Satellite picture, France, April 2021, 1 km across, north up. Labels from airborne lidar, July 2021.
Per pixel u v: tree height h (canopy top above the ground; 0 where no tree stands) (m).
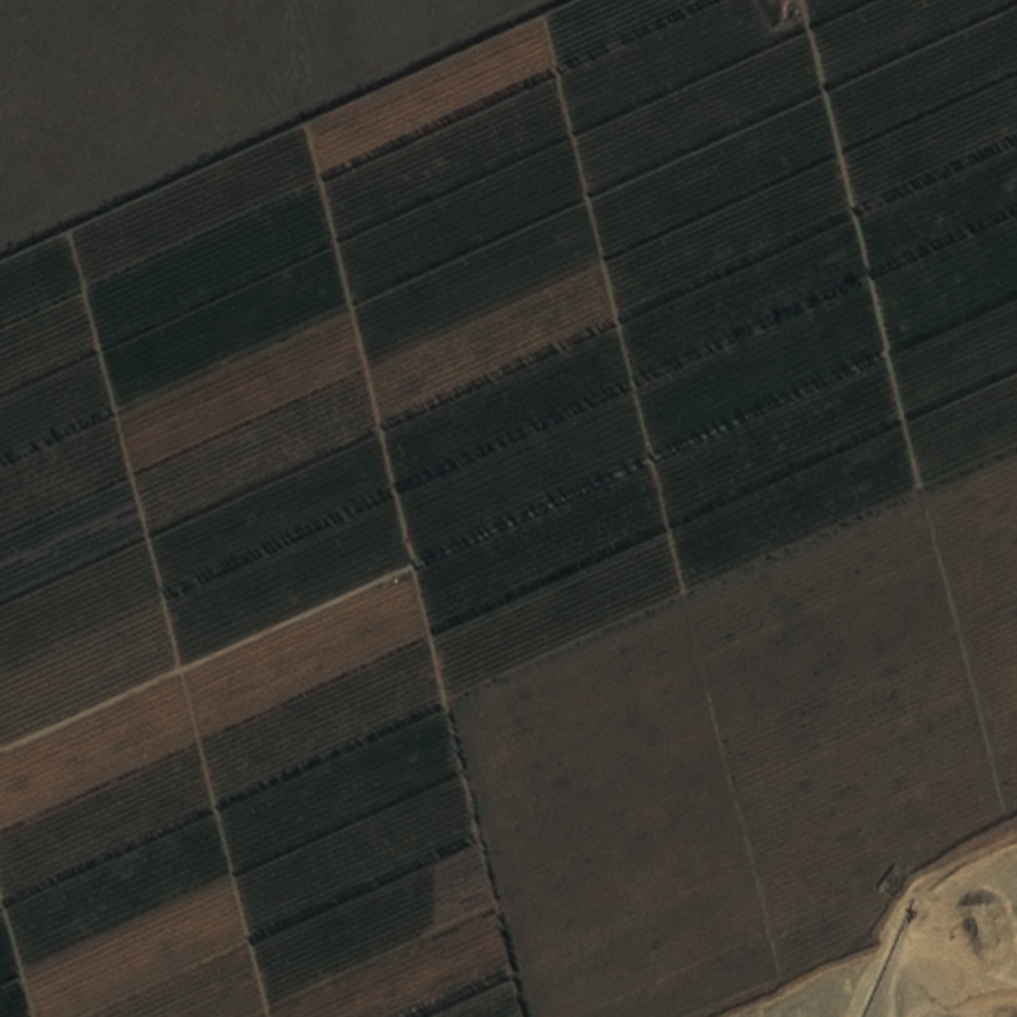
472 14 0
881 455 0
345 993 0
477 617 15
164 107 0
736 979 0
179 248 7
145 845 12
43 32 0
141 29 0
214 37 0
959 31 11
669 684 0
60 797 0
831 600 0
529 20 11
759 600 0
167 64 0
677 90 11
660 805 0
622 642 0
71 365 10
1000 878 0
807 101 12
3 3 0
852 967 0
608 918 0
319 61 0
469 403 0
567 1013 0
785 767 0
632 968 0
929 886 0
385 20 0
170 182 10
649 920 0
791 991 0
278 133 11
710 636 0
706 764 0
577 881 0
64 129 0
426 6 0
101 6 0
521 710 0
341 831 10
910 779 0
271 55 0
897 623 0
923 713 0
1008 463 0
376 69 0
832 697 0
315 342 0
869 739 0
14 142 0
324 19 0
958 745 0
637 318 12
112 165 0
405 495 18
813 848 0
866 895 0
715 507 8
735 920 0
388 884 17
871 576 0
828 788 0
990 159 14
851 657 0
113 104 0
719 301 0
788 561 0
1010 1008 0
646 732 0
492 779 0
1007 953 0
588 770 0
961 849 0
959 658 0
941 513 0
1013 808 0
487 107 15
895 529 0
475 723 0
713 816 0
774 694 0
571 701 0
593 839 0
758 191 10
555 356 0
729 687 0
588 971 0
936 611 0
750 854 0
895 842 0
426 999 0
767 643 0
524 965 0
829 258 0
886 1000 0
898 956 0
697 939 0
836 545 0
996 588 0
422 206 12
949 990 0
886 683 0
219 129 0
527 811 0
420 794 10
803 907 0
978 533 0
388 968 0
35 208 0
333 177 14
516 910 0
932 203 0
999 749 0
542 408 0
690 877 0
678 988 0
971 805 0
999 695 0
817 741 0
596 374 0
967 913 0
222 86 0
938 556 0
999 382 12
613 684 0
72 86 0
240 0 0
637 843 0
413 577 0
